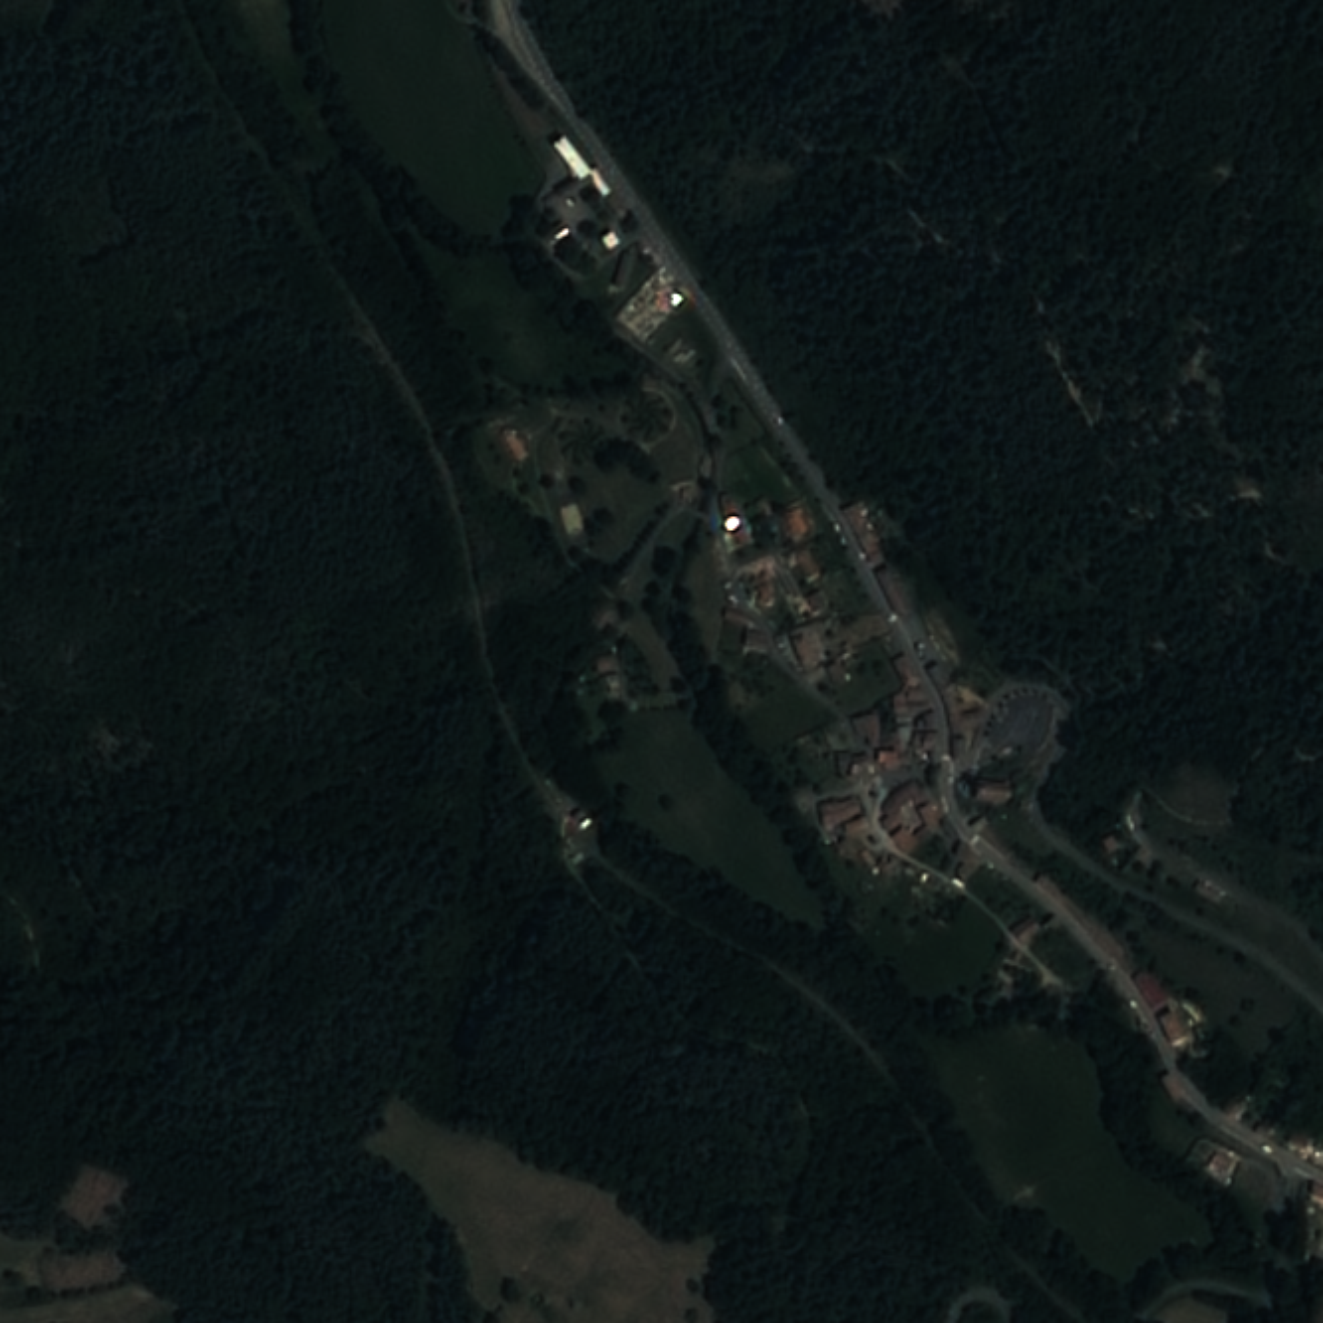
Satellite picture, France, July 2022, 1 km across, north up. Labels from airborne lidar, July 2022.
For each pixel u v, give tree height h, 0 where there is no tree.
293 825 15
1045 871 7
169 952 29
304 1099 21
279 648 13
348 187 13
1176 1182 23
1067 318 26
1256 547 22
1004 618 17
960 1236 23
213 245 20
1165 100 12
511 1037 27
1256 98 15
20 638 20
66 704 16
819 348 22
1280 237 23
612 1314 0
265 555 29
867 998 16
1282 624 32
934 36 14
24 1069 24
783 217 22
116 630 17
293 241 26
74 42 22
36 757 18
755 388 0
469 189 0
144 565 21
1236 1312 18
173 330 16
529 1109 17
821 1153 19
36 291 20
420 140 0
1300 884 14
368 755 18
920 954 0
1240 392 26
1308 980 0
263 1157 23
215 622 22
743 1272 25
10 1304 0
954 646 0
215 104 11
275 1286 28
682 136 14
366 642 21
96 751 11
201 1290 25
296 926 29
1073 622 13
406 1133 0
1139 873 13
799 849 20
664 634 6
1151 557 22
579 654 20
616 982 28
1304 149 15
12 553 15
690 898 17
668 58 12
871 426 16
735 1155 8
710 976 28
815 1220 25
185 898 21
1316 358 13
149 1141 14
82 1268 0
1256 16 17
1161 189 8
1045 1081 0
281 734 11
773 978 15
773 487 0
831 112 22
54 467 18
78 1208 0
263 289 17
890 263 28
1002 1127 0
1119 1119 23
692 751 0
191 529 22
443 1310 21
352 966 26
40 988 28
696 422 0
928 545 25
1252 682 24
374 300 18
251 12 0
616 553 0
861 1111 12
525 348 0
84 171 25
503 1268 0
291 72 0
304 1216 24
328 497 26
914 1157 28
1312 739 10
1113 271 13
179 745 19
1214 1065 8
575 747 23
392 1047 21
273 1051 23
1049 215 14
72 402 21
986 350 18
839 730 0
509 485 0
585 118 16
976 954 0
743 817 0
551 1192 0
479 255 19
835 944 25
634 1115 16
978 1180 19
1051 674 31
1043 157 13
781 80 27
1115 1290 17
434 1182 0
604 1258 0
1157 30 13
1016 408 13
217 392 19
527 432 0
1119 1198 0
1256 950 0
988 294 23
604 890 13
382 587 18
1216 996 0
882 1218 21
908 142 32
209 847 17
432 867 21
